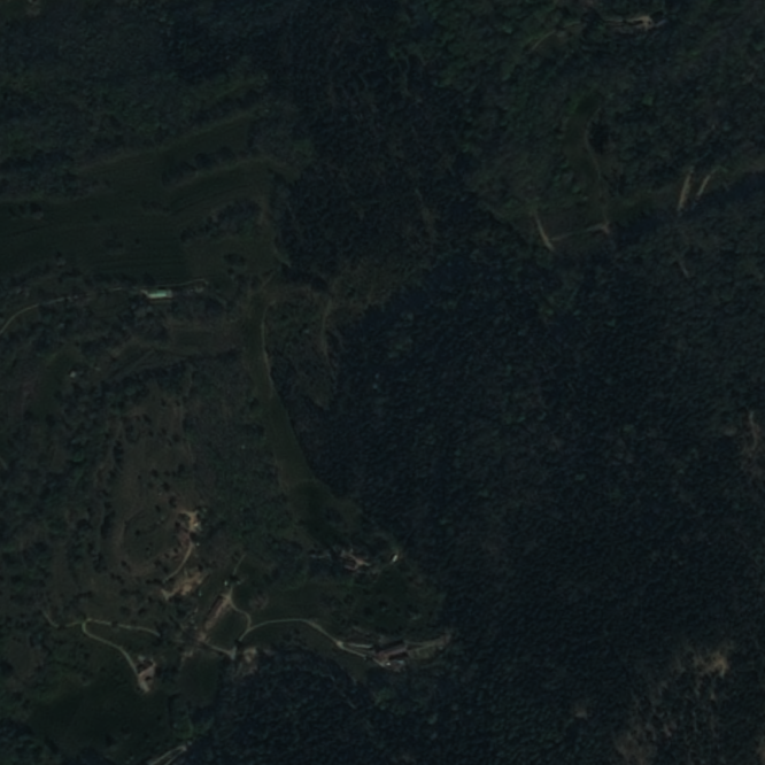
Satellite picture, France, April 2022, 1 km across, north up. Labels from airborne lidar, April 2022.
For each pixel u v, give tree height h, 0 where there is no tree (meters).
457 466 35
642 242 25
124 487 0
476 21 24
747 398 20
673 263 23
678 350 22
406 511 27
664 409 22
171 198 0
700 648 25
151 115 22
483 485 24
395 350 27
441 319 29
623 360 28
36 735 15
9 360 13
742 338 25
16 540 12
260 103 19
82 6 14
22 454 13
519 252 8
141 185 0
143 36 19
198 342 0
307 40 29
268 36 15
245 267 12
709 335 22
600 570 25
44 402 0
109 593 0
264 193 0
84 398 16
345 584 11
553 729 30
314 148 22
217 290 6
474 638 26
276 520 22
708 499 26
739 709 27
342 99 22
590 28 10
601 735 21
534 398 29
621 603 28
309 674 21
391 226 23
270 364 0
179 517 0
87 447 10
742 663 22
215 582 0
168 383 16
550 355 29
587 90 21
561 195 29
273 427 0
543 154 29
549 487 26
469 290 24
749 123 14
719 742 25
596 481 31
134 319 10
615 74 24
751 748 25
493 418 26
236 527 17
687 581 30
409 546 23
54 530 14
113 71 21
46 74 30
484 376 24
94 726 0
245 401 25
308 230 6
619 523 26
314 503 0
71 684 0
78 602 10
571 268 30
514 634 22
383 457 24
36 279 8
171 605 8
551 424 33
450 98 35
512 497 23
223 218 8
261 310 0
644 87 25
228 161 18
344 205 34
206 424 22
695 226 18
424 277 8
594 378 38
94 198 0
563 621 25
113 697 0
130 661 0
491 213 25
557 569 21
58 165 23
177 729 16
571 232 12
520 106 23
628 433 32
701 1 31
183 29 25
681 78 17
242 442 26
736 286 22
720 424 22
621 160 15
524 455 22
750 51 12
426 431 30
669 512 34
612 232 9
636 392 28
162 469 0
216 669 0
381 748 20
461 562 34
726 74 13
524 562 20
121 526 0
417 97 29
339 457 31
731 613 22
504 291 30
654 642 25
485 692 32
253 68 18
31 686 12
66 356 0
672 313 23
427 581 16
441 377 22
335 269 26
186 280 0
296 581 21
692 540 33
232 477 28
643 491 38
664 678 23
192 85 21
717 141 13
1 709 19
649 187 18
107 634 0
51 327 17
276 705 24
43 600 12
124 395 9
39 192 17
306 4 20
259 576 0
